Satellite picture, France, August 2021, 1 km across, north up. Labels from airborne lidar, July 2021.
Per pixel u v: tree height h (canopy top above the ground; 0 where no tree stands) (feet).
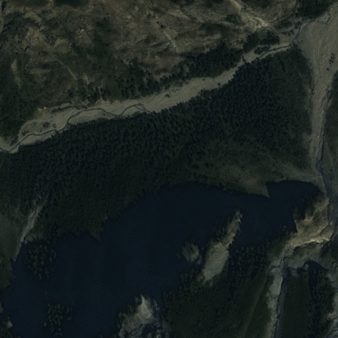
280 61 20
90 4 0
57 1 0
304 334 0
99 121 28
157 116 77
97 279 0
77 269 25
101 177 24
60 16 45
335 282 0
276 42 32
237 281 46
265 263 29
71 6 0
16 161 18
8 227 0
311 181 0
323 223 0
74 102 0
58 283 23
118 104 0
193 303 38
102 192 29
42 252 31
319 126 0
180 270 0
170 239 30
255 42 39
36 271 60
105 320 0
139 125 68
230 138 30
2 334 19
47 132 0
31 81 31
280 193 0
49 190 18
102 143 76
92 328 0
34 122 0
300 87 21
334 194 0
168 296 23
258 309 0
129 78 33
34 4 0
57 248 28
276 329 0
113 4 0
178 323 0
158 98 0
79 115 0
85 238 26
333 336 0
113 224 19
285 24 22
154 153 21
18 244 0
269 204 0
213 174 0
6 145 0
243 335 0
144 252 0
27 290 0
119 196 21
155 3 0
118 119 26
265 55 0
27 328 0
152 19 0
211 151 22
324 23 0
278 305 0
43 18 31
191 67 52
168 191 24
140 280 0
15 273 0
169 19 0
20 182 22
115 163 23
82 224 23
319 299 36
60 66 20
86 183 28
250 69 60
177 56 0
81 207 34
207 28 29
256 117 67
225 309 35
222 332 0
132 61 21
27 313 0
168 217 32
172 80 93
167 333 0
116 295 22
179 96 0
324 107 0
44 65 19
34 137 0
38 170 21
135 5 0
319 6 46
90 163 69
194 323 0
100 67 31
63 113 0
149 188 22
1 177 21
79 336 0
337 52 0
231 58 44
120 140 76
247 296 0
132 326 0
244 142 40
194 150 83
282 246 0
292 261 0
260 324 0
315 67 0
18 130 20
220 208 23
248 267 23
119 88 36
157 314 0
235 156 20
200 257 0
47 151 50
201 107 25
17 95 39
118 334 47
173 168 18
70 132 21
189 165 20
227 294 0
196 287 36
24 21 0
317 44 0
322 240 0
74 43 22
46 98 25
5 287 0
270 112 62
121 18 0
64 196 86
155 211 19
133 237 0
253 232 0
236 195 29
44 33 22
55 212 80
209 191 66
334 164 0
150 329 0
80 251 23
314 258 0
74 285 36
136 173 19
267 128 65
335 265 0
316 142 0
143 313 0
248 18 0
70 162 24
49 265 20
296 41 0
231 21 25
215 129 74
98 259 0
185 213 86
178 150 20
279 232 0
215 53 74
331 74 0
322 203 27
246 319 0
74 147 53
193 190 23
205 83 0
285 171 0
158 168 23
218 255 0
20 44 47
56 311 21
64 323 0
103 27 24
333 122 0
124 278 29
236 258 21
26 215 27
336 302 0
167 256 0
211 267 0
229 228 36
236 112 83
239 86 26
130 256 0
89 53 24
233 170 0
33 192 25
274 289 0
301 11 75
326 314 0
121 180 22
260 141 49
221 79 0
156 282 0
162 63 0
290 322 0
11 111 18
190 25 0
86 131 70
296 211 25
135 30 0
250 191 0
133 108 0
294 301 0
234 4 0
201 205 62
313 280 24
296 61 24
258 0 22
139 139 93
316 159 0
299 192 0
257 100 60
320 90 0
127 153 64
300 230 0
